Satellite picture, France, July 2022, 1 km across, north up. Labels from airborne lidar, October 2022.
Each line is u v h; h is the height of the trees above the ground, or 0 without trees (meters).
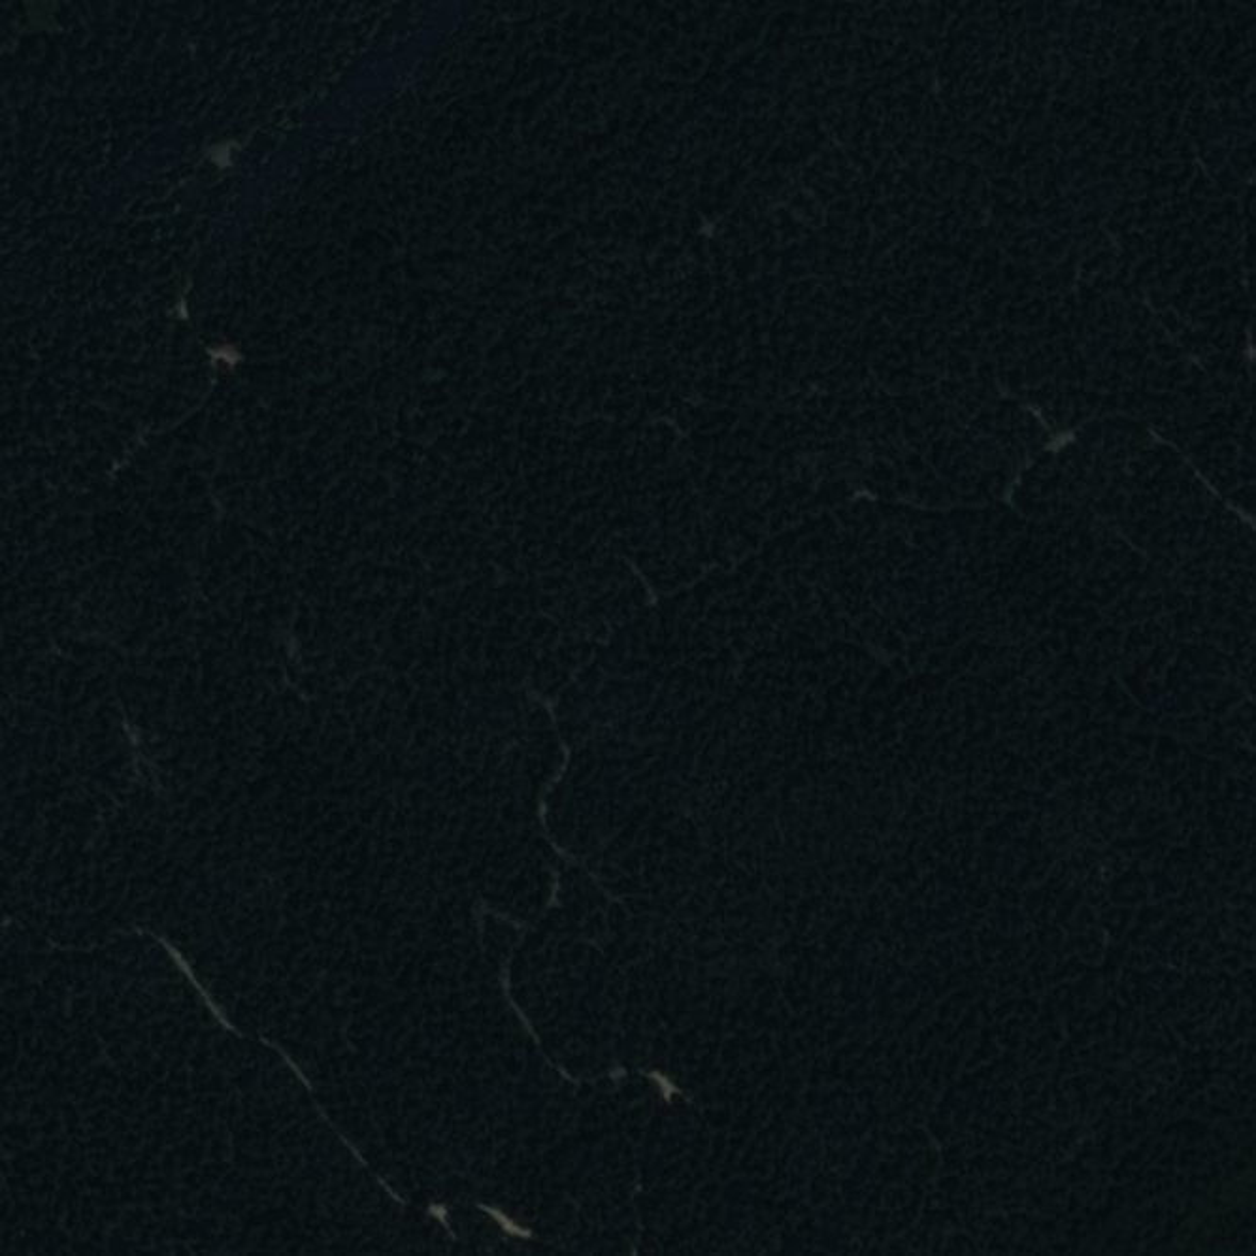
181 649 21
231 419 14
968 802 20
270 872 19
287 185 11
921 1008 21
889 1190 21
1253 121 25
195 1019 18
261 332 17
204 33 28
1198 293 19
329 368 15
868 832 10
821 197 30
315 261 19
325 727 16
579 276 17
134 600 32
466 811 9
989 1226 11
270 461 24
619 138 21
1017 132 18
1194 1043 20
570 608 12
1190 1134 20
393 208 19
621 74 18
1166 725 26
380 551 21
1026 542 25
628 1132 16
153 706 9
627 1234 21
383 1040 22
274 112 26
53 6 0
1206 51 16
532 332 18
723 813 10
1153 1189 13
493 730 8
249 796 28
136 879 24
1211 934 13
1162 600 15
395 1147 24
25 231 33
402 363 12
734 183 25
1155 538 12
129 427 23
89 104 28
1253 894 12
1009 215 23
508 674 16
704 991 17
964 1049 23
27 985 26
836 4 10
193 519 31
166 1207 22
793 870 12
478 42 18
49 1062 23
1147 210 23
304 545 21
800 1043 25
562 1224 33
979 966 23
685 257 32
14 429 20
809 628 13
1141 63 26
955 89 16
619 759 26
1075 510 10
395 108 17
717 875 22
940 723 19
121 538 27
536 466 15
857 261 26
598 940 23
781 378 17
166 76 24
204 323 18
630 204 22
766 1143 29
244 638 25
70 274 26
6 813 18
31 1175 18
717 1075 22
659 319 9
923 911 18
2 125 19
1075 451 11
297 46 25
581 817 16
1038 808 24
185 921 19
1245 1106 8
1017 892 28
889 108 22
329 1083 21
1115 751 26
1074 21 32
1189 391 19
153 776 24
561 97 10
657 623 10
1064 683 17
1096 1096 17
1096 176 20
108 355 9
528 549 14
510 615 9
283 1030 17
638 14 20
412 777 22
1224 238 23
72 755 20
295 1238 26
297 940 24
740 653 18
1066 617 25
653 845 19
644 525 24
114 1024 13
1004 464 26
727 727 24
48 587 19
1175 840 19
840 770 18
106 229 29
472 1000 16
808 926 14
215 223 17
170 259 25
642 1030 9
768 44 22
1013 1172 20
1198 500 22
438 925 15
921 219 21
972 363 14
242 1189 21
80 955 11
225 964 17
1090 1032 24
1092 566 10
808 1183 15
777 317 17
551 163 21
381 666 15
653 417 8
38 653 17
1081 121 22
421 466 9
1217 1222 19
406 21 16
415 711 19
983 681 10
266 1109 25
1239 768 20
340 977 21
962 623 19
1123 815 26
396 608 7
